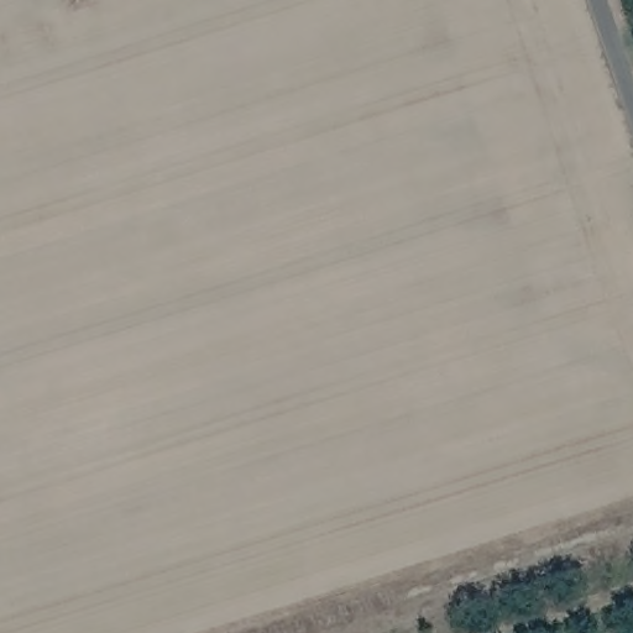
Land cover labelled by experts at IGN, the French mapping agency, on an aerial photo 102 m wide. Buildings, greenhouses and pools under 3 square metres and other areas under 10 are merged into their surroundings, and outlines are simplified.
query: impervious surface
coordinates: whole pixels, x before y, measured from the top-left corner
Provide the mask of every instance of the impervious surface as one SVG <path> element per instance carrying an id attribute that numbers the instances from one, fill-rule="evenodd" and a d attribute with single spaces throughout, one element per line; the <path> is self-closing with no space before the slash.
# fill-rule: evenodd
<path id="1" fill-rule="evenodd" d="M 611 69 L 611 77 L 621 94 L 618 106 L 626 111 L 626 124 L 633 134 L 633 74 L 621 49 L 618 30 L 611 15 L 613 0 L 584 0 L 591 10 L 603 47 L 606 67 Z"/>

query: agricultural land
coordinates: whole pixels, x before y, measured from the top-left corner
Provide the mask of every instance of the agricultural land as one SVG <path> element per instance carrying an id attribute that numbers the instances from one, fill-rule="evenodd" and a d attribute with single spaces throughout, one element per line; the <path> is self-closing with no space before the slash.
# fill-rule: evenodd
<path id="1" fill-rule="evenodd" d="M 440 559 L 495 539 L 504 539 L 529 527 L 593 512 L 633 495 L 633 134 L 626 124 L 626 111 L 618 106 L 621 94 L 611 77 L 611 69 L 606 67 L 603 47 L 591 10 L 584 0 L 0 0 L 0 633 L 203 633 L 230 621 L 242 621 L 265 611 L 294 606 L 307 598 L 319 598 L 336 588 L 363 584 L 368 579 L 381 579 L 386 574 L 428 559 Z"/>

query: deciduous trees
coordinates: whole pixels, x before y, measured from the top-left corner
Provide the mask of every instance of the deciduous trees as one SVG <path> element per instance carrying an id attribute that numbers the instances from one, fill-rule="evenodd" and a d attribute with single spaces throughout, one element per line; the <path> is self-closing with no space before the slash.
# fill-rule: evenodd
<path id="1" fill-rule="evenodd" d="M 596 626 L 591 626 L 588 621 L 574 623 L 566 616 L 564 621 L 556 621 L 556 633 L 598 633 Z"/>
<path id="2" fill-rule="evenodd" d="M 621 606 L 611 601 L 606 608 L 601 608 L 606 628 L 611 628 L 613 633 L 633 633 L 633 603 L 626 601 Z"/>
<path id="3" fill-rule="evenodd" d="M 579 566 L 551 574 L 546 579 L 537 579 L 532 584 L 502 588 L 495 593 L 495 598 L 467 598 L 457 608 L 448 606 L 448 623 L 457 633 L 482 633 L 499 623 L 517 626 L 546 618 L 546 608 L 559 608 L 559 603 L 574 596 L 588 598 L 586 576 Z"/>

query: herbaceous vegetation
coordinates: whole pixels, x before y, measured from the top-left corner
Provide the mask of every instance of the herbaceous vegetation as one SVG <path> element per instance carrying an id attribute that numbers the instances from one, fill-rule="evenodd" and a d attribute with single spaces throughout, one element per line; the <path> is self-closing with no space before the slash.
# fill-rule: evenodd
<path id="1" fill-rule="evenodd" d="M 633 74 L 633 0 L 613 0 L 611 15 L 618 30 L 621 49 Z"/>
<path id="2" fill-rule="evenodd" d="M 336 588 L 319 598 L 307 598 L 294 606 L 265 611 L 242 621 L 230 621 L 203 633 L 457 633 L 448 623 L 448 606 L 457 608 L 467 598 L 495 598 L 495 593 L 502 588 L 532 584 L 537 579 L 546 579 L 551 574 L 579 566 L 586 576 L 588 598 L 574 596 L 559 603 L 559 608 L 546 608 L 546 618 L 517 626 L 499 623 L 482 633 L 556 633 L 556 621 L 564 621 L 566 616 L 574 623 L 588 621 L 591 626 L 596 626 L 598 633 L 613 633 L 611 628 L 606 628 L 601 608 L 606 608 L 611 601 L 621 606 L 626 601 L 633 603 L 633 495 L 593 512 L 529 527 L 504 539 L 495 539 L 440 559 L 428 559 L 386 574 L 381 579 L 368 579 L 363 584 Z"/>

